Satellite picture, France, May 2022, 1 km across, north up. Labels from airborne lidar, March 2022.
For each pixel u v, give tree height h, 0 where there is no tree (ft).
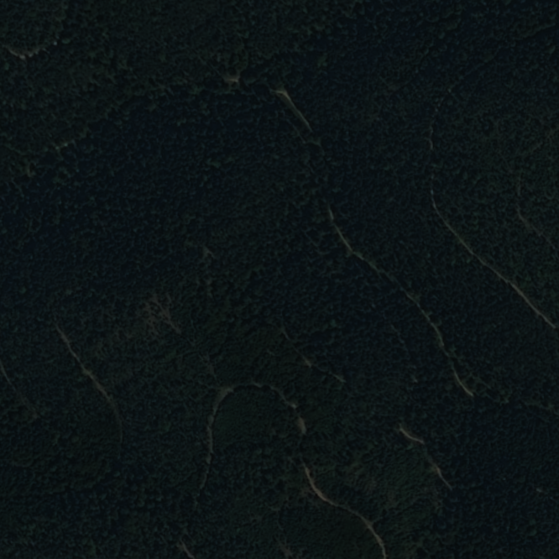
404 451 25
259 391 45
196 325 37
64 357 61
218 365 19
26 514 47
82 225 120
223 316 64
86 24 117
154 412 90
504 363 102
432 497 136
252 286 126
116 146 105
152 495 87
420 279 40
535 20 100
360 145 86
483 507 63
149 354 65
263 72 37
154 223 97
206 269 99
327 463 24
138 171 116
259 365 43
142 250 104
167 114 28
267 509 32
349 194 128
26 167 51
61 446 22
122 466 109
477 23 87
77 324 98
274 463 30
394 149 63
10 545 68
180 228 87
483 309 87
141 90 54
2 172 93
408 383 95
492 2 82
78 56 56
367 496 39
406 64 36
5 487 63
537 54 111
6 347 43
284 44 90
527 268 52
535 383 121
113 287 86
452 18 60
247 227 112
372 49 73
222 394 0
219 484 27
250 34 94
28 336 75
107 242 124
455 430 27
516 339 112
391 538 39
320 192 76
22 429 58
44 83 83
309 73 126
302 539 41
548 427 37
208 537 22
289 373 46
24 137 85
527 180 28
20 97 39
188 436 75
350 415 43
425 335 80
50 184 111
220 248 88
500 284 82
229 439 35
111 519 23
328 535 34
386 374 92
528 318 87
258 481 71
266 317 99
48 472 36
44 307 93
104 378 66
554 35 28
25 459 49
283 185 98
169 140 120
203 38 89
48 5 77
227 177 102
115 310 26
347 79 75
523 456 56
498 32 101
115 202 117
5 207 123
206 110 90
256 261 103
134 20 56
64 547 62
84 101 88
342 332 113
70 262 111
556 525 80
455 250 102
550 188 22
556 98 102
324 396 52
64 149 0
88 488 31
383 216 116
